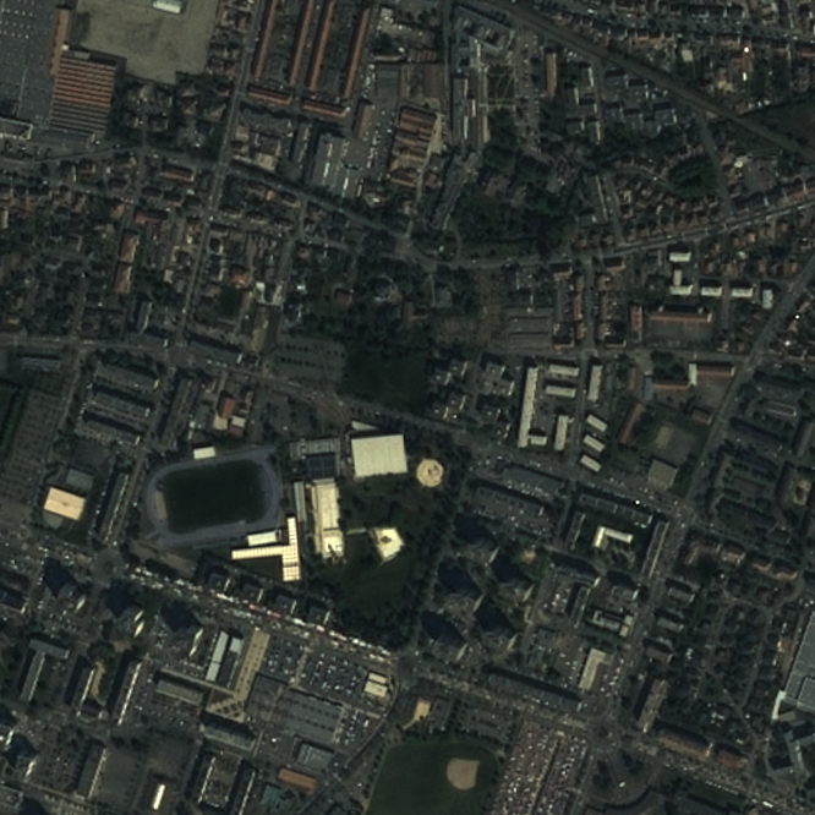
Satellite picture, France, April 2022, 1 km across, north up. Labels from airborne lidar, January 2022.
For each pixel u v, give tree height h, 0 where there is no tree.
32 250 0
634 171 0
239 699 0
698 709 7
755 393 13
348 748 0
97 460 0
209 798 0
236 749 0
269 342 0
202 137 0
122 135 13
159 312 0
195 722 0
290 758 0
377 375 0
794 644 0
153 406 10
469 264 0
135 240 0
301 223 0
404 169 0
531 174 15
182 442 11
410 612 14
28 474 9
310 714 0
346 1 0
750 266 7
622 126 9
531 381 0
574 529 0
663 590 0
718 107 0
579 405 0
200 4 0
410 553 13
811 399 12
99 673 0
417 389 0
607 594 0
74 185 0
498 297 0
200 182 0
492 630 0
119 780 0
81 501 0
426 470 0
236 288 0
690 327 0
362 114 0
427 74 0
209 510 0
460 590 0
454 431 0
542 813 0
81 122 0
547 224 22
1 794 0
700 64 0
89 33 0
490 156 13
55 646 0
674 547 0
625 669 0
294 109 0
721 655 0
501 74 0
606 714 0
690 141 12
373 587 0
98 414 0
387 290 0
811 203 0
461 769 0
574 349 0
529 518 0
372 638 13
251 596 0
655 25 12
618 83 0
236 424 0
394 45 21
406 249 0
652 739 0
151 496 0
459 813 0
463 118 0
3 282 0
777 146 8
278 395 0
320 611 0
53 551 13
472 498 0
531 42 0
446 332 0
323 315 0
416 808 0
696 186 17
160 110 0
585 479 0
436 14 10
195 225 0
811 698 0
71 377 7
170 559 0
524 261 0
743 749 0
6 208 0
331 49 0
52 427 8
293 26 0
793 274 0
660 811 0
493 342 0
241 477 0
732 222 0
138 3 0
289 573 0
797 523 24
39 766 0
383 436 0
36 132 0
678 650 7
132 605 0
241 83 0
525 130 0
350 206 15
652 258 0
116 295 7
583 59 0
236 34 8
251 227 0
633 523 0
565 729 0
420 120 0
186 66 0
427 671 0
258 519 0
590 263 0
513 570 9
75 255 0
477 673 0
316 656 0
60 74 0
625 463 0
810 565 0
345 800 0
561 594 0
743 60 0
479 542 0
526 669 0
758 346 0
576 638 0
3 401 0
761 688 0
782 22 0
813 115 0
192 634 0
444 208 0
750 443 0
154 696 0
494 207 0
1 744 0
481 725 0
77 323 0
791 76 0
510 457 0
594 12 0
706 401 0
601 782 8
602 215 0
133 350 0
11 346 0
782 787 0
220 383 0
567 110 0
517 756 0
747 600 0
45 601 0
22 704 0
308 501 7
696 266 0
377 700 0
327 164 0
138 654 15
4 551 0
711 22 0
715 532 0
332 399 0
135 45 0
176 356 0
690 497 0
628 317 0
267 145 0
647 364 0
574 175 11
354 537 0
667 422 0
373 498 0
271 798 0
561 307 0
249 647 0
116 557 0
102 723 0
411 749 0
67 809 0
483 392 0
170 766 0
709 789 0
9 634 0
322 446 0
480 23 0
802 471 8
